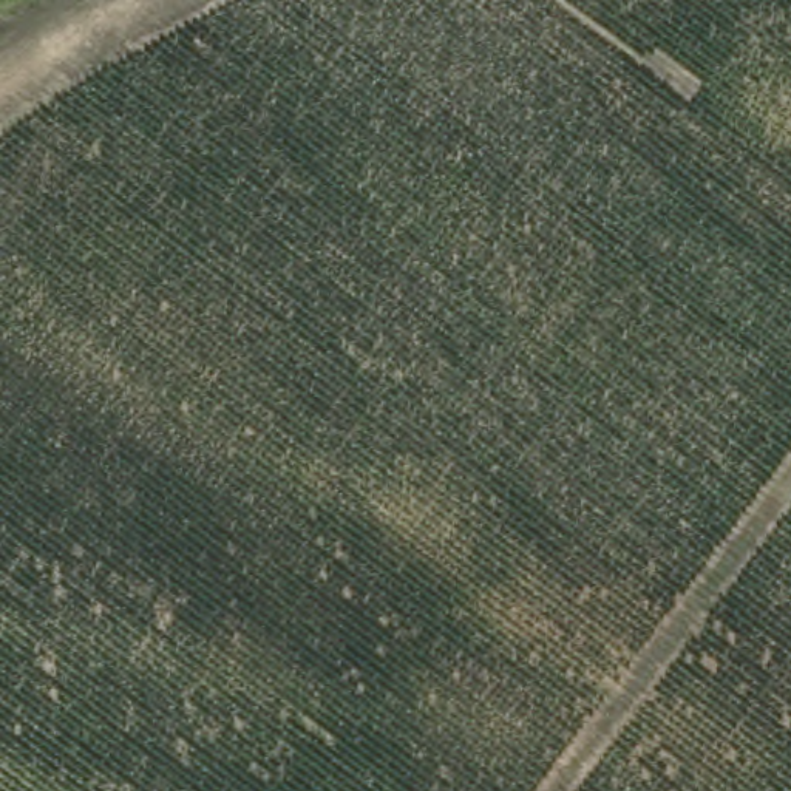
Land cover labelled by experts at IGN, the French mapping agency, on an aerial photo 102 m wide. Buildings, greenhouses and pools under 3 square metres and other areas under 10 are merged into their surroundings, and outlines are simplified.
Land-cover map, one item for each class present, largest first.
<instances>
[{"label":"vineyard","instance_id":"1","mask_svg":"<svg viewBox=\"0 0 791 791\"><path fill-rule=\"evenodd\" d=\"M791 451V0H229L204 19H195L176 28L173 34L158 37L145 49H133L117 62H105L102 68H96L74 87L56 93L46 105L28 111L22 121L0 133V791H535L581 729L584 717H590L596 708L593 692L599 686H590L584 680V670H609V646H627L637 652L649 640L655 624L670 612L674 596L689 587V581L701 572L704 559L711 556V550L726 538L735 519L745 513V507L769 482L782 457ZM578 791H791V510L779 519L776 531L745 565L729 593L711 606V612L704 615V630L686 643L680 658L658 683L655 698L640 708V714L624 726L618 742L606 751V757L596 763V769L584 779Z\"/></svg>","mask_w":791,"mask_h":791},{"label":"herbaceous vegetation","instance_id":"2","mask_svg":"<svg viewBox=\"0 0 791 791\"><path fill-rule=\"evenodd\" d=\"M108 0H0V53L31 37L59 31L77 12H90ZM229 0H148V6L127 28H105L93 34L90 46H77L74 56L49 65V71L40 80L25 83L19 93L0 102V133L22 121L28 111L46 105L56 93L74 87L96 68H102L105 62H117L133 49H145L158 37L173 34L176 28L195 19H204ZM791 510V451L782 457L769 482L745 507V513L735 519L726 538L711 550V556L704 559L701 572L689 581V587L674 596L670 612L655 624L649 640L637 652L627 646H609V670H584V680L590 686H599L593 692L596 708L590 717H584L581 729L535 791H578L584 779L596 769V763L606 757V751L618 742L624 726L640 714V708L655 698L658 683L680 658L686 643L704 630V615L711 612V606L729 593L745 565L776 531L779 519Z\"/></svg>","mask_w":791,"mask_h":791},{"label":"pervious surface","instance_id":"3","mask_svg":"<svg viewBox=\"0 0 791 791\"><path fill-rule=\"evenodd\" d=\"M148 6V0H108L90 12H77L59 31L31 37L0 53V102L19 93L25 83L40 80L49 71V65L74 56L77 46H90L93 34L105 28H127Z\"/></svg>","mask_w":791,"mask_h":791}]
</instances>
